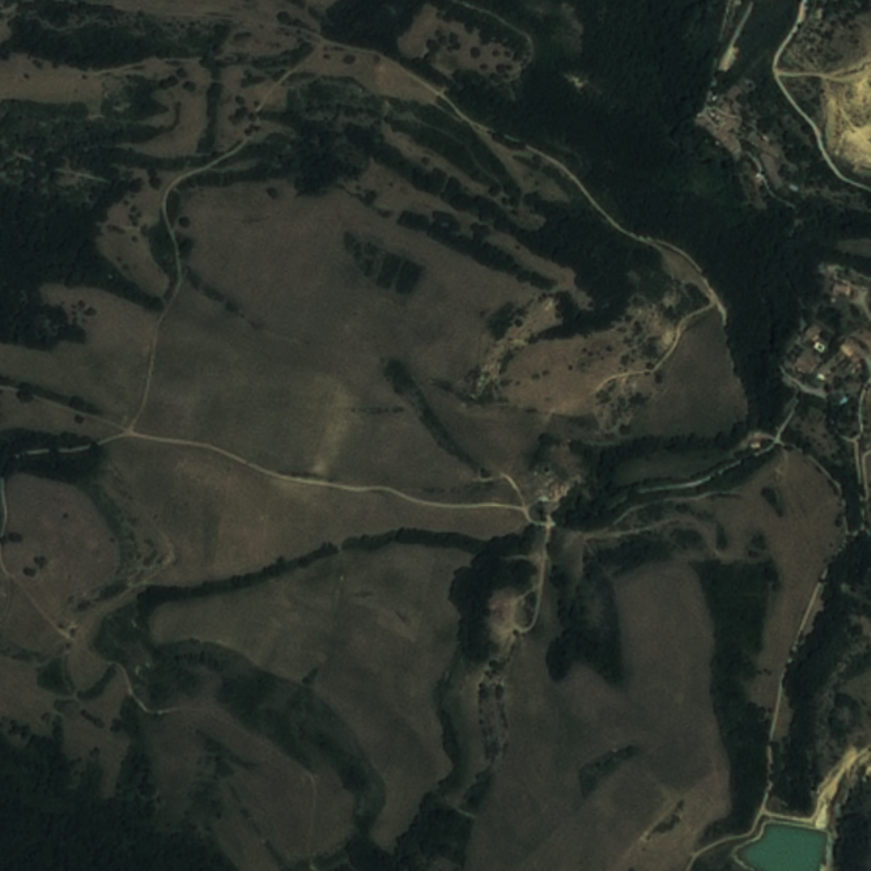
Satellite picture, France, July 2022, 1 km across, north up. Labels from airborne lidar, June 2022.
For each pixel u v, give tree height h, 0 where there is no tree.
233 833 0
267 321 0
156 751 0
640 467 0
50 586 0
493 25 5
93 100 0
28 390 9
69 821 11
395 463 0
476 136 5
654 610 0
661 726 0
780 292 12
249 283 0
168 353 0
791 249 12
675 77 19
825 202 8
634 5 13
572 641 12
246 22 0
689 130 13
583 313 9
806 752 9
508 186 8
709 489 6
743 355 19
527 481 0
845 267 7
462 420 0
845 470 10
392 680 0
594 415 0
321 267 0
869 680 0
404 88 0
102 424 0
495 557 12
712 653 0
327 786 0
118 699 0
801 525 0
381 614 0
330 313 0
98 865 9
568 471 0
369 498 0
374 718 0
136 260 0
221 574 0
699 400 0
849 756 0
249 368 0
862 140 0
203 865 8
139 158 7
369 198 6
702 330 0
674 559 0
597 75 8
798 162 11
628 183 15
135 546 0
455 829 9
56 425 0
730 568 6
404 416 0
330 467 0
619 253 14
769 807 0
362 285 0
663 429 0
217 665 6
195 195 0
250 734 0
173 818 0
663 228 12
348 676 0
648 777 0
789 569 0
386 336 0
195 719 0
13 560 0
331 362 0
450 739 11
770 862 0
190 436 0
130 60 11
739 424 7
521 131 7
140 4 0
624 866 0
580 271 9
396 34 7
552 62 9
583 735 0
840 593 13
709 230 10
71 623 0
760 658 0
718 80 10
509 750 0
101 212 8
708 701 0
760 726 8
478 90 14
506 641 0
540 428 0
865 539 13
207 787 0
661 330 0
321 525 0
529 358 0
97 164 8
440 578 0
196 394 0
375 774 0
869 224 9
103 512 0
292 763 0
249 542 0
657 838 0
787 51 0
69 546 0
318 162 9
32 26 7
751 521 0
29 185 10
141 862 9
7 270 12
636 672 0
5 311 12
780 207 14
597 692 0
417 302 0
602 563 8
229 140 0
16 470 7
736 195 11
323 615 0
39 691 0
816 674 13
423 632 0
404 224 7
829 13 6
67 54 8
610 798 0
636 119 21
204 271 0
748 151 13
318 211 0
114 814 8
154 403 0
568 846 0
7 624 0
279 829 0
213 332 0
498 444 0
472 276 0
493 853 0
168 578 0
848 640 8
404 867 10
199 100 0
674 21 16
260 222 0
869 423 7
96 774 7
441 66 0
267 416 0
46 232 12
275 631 0
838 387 7
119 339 0
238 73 0
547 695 0
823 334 8
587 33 10
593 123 18
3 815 9
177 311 0
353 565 0
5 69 0
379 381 0
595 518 13
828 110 0
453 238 10
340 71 0
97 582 0
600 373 0
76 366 0
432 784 0
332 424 0
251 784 0
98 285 6
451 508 0
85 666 0
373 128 6
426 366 0
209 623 0
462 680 0
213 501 0
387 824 0
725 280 10
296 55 7
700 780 0
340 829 0
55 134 8
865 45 0
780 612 0
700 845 0
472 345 0
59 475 7
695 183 6
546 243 14
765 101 8
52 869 6
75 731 0
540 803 0
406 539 14
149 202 0
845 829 7
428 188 8
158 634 0
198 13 0
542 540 0
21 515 0
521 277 7
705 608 0
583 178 8
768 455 7
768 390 23
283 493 0
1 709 0
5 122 5
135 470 0
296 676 0
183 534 0
